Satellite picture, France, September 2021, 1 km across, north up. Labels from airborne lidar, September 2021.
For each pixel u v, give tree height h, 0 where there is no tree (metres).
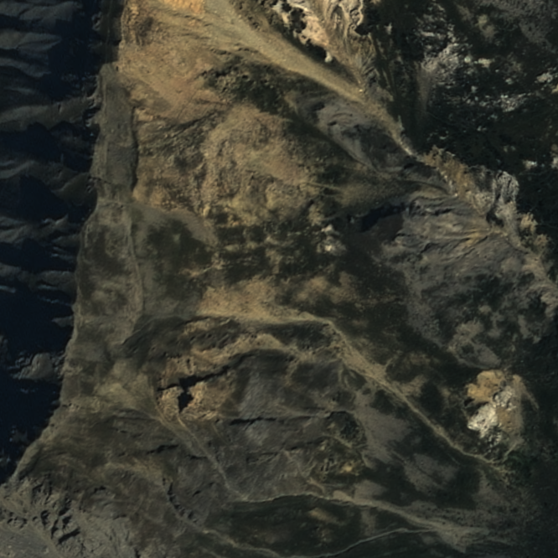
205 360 0
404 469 0
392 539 0
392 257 0
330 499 0
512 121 0
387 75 0
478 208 0
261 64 0
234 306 0
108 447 0
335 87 0
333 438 0
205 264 0
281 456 0
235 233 0
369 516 0
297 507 0
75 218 0
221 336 0
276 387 0
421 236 0
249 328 0
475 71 0
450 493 0
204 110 0
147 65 0
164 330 0
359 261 0
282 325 0
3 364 0
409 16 0
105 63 0
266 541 0
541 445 0
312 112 0
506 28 0
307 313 0
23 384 0
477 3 0
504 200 0
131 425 0
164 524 0
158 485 0
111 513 0
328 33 0
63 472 0
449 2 0
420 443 0
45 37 0
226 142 0
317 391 0
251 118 0
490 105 0
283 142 0
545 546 0
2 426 0
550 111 0
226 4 0
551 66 0
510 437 0
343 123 0
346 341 0
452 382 0
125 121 0
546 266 0
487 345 0
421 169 0
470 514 0
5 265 0
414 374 0
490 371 0
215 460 0
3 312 0
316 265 0
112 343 0
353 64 0
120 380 0
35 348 0
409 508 0
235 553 0
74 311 0
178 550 0
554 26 0
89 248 0
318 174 0
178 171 0
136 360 0
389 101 0
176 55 0
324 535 0
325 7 0
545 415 0
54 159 0
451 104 0
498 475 0
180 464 0
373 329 0
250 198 0
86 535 0
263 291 0
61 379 0
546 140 0
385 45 0
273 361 0
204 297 0
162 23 0
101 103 0
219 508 0
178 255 0
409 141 0
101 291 0
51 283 0
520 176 0
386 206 0
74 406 0
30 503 0
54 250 0
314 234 0
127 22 0
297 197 0
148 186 0
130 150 0
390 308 0
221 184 0
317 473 0
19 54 0
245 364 0
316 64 0
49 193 0
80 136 0
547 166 0
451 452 0
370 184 0
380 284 0
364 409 0
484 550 0
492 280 0
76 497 0
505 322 0
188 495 0
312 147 0
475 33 0
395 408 0
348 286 0
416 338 0
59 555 0
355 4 0
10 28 0
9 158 0
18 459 0
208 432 0
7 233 0
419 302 0
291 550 0
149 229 0
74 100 0
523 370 0
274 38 0
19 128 0
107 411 0
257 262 0
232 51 0
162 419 0
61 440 0
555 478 0
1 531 0
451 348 0
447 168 0
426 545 0
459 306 0
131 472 0
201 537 0
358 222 0
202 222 0
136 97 0
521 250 0
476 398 0
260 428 0
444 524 0
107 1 0
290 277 0
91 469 0
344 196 0
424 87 0
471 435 0
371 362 0
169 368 0
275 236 0
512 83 0
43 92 0
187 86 0
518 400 0
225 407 0
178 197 0
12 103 0
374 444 0
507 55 0
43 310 0
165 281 0
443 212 0
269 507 0
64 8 0
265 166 0
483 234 0
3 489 0
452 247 0
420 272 0
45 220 0
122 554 0
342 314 0
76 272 0
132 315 0
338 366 0
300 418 0
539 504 0
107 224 0
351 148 0
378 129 0
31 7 0
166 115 0
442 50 6
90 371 0
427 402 0
